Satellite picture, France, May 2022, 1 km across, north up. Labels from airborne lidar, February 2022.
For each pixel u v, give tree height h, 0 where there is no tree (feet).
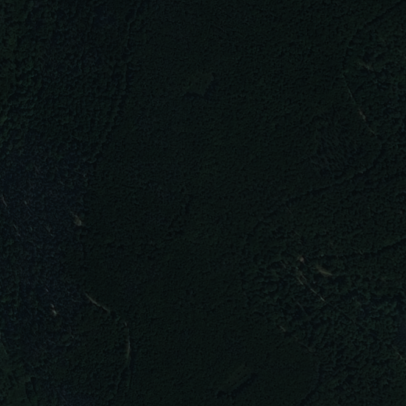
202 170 57
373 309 117
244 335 61
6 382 49
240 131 64
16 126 97
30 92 100
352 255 101
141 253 73
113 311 72
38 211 101
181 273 74
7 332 83
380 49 114
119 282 86
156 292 68
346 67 95
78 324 91
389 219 110
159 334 76
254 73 61
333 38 82
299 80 73
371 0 83
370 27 101
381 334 96
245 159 71
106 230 77
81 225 0
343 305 102
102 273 82
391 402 99
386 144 84
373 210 92
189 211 70
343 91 71
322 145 57
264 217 89
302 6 73
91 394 93
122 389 80
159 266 80
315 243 99
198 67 69
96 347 76
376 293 60
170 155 67
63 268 93
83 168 104
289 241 105
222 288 83
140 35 71
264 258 107
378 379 102
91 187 86
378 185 89
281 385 61
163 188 79
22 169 116
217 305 73
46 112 96
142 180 76
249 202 82
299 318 112
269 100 70
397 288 135
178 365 61
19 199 105
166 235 63
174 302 96
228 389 0
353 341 118
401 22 101
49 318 95
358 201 96
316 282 116
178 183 75
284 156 78
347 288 130
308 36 72
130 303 84
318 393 99
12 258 90
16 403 0
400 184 93
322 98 75
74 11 46
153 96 83
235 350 68
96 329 87
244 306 74
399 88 108
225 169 66
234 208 86
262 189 73
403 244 107
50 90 93
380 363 110
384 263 105
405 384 86
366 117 80
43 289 92
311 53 70
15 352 44
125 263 80
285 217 98
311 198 84
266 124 73
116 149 78
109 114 102
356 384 70
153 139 73
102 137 91
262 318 67
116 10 41
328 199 88
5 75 31
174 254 67
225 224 82
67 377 93
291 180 75
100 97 89
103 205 73
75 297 96
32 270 100
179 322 71
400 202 106
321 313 109
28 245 102
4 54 44
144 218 87
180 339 73
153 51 72
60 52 94
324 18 70
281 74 75
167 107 73
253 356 64
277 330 73
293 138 71
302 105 75
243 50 70
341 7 83
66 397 104
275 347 68
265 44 75
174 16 65
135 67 76
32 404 41
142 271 76
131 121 72
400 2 85
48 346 106
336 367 104
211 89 47
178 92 61
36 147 97
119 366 93
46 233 100
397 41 103
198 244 58
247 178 76
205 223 66
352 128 66
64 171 104
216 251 71
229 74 72
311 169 57
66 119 102
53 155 103
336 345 101
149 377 71
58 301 101
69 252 97
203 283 73
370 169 73
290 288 117
